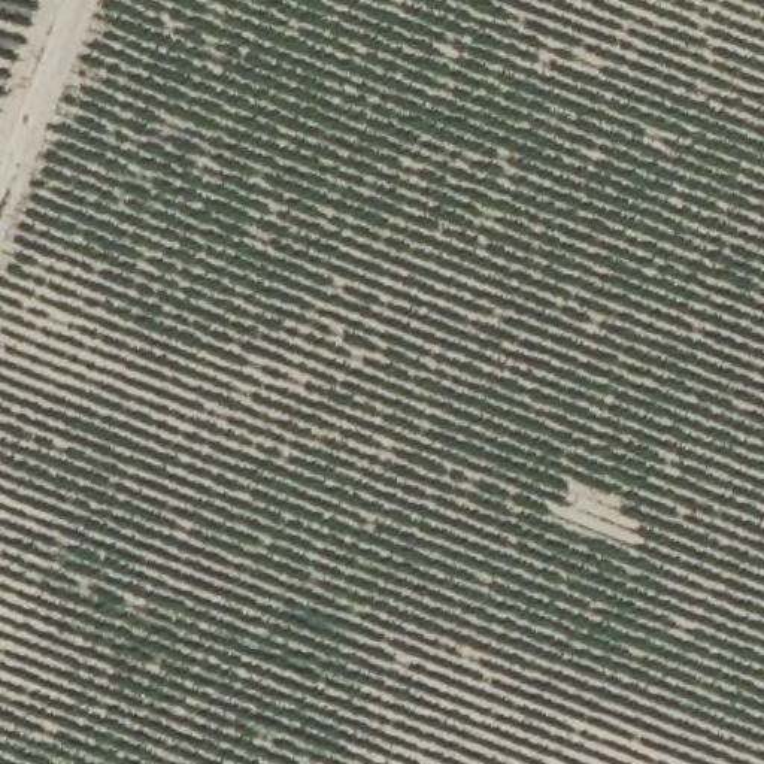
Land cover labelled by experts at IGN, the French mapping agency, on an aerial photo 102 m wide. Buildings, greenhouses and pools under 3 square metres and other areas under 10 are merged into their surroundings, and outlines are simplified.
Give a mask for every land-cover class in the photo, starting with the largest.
<instances>
[{"label":"vineyard","instance_id":"1","mask_svg":"<svg viewBox=\"0 0 764 764\"><path fill-rule=\"evenodd\" d=\"M39 9V0H0V107L9 87V72L15 69L18 48L27 42L24 36L30 30L33 12ZM93 42H87V51L78 63L81 87H66L63 98L57 101V122L48 125L57 134V140L51 143V149L42 152L45 167L30 179V209L18 224L15 257L0 275V764H764V0H101V9L90 21Z\"/></svg>","mask_w":764,"mask_h":764},{"label":"pervious surface","instance_id":"2","mask_svg":"<svg viewBox=\"0 0 764 764\"><path fill-rule=\"evenodd\" d=\"M101 9V0H39V9L33 12L30 30L24 36L27 42L18 48L15 69L9 72V87L0 107V275L15 257L18 224L30 209V179L45 167L42 152L51 149V143L57 140V134L48 125L57 122V101L63 98L66 87H81L78 63L87 51V42H93L90 21Z\"/></svg>","mask_w":764,"mask_h":764}]
</instances>
